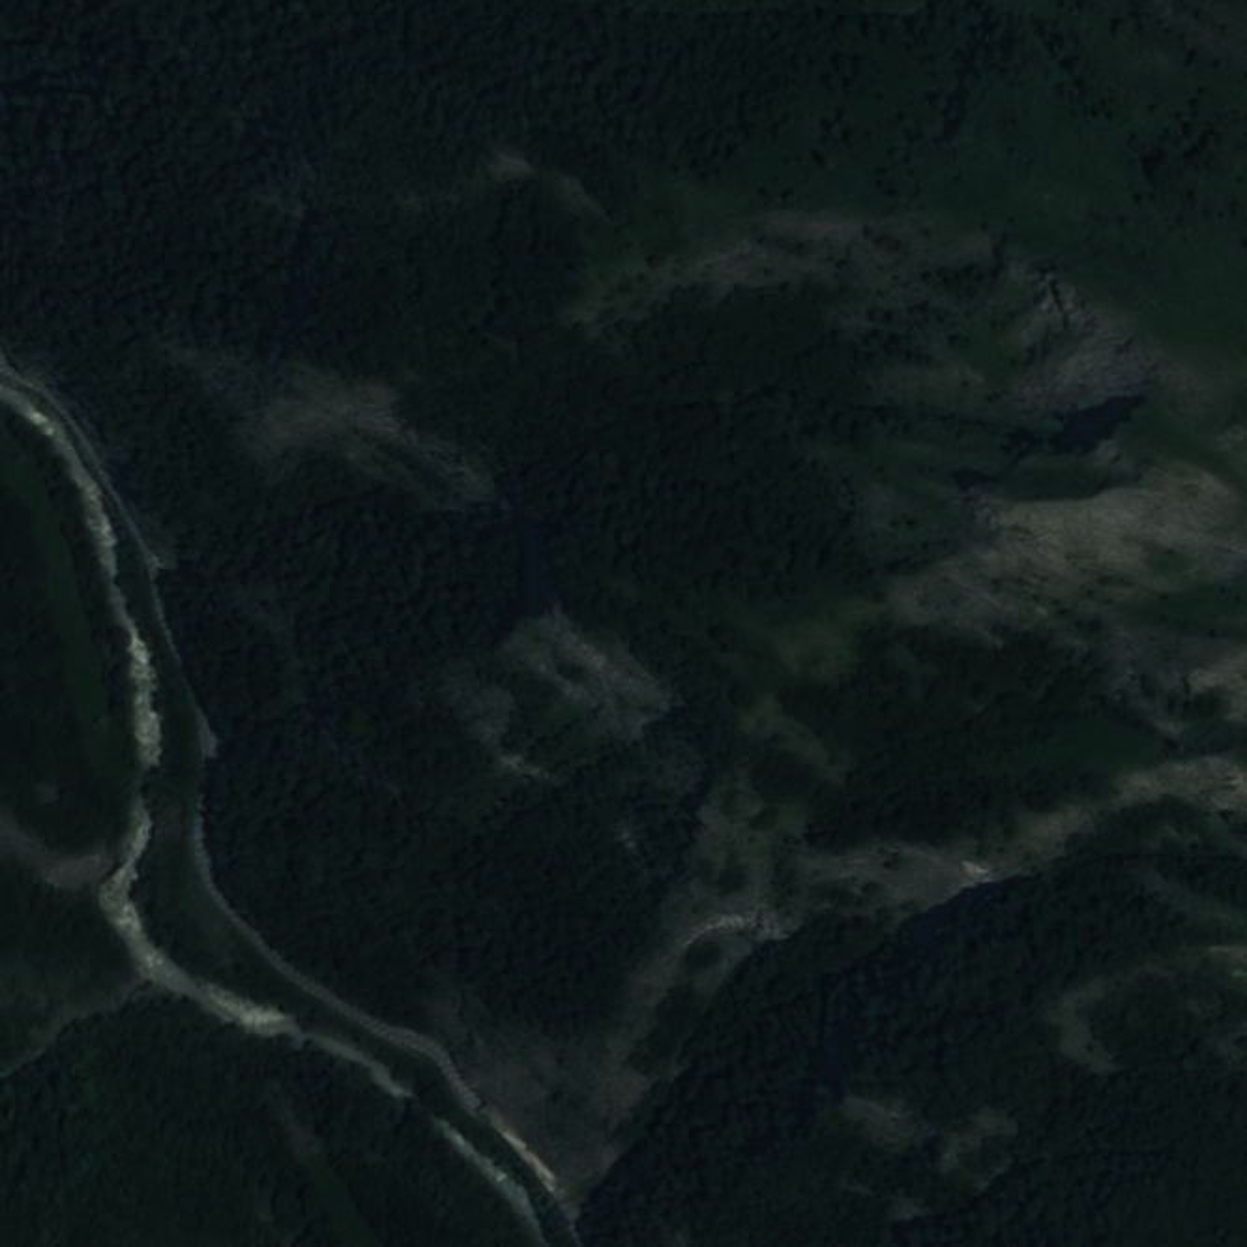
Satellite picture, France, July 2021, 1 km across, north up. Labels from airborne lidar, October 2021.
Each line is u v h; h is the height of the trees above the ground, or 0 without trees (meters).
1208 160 12
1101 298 0
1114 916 12
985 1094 16
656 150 16
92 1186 19
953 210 0
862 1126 9
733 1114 26
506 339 21
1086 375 0
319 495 23
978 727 12
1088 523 0
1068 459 0
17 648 20
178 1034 19
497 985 15
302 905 14
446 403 17
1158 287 0
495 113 18
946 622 7
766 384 10
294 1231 22
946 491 0
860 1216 18
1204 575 0
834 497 6
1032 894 28
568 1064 10
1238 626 0
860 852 16
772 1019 38
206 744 0
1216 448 0
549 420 20
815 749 0
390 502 25
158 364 11
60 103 29
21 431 24
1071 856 11
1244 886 11
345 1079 12
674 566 21
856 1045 23
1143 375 0
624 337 10
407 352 10
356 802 20
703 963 18
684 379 23
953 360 0
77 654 0
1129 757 0
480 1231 21
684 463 12
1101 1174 18
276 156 33
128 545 16
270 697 20
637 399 23
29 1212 18
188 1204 20
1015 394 0
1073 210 0
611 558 21
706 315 7
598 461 25
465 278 15
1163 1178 21
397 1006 21
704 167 8
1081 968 12
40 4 22
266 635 16
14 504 27
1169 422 0
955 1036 35
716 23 15
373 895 19
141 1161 16
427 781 21
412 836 6
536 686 15
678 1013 18
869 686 11
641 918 17
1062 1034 8
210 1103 14
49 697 24
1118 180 0
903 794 8
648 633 10
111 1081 13
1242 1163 9
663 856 11
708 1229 12
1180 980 7
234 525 14
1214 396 0
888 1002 26
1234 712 0
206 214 10
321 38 7
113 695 10
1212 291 0
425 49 15
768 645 0
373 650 14
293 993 10
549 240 16
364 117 20
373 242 8
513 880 12
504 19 15
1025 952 27
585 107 14
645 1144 18
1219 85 0
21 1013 10
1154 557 0
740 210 0
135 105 15
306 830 23
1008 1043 16
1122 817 7
